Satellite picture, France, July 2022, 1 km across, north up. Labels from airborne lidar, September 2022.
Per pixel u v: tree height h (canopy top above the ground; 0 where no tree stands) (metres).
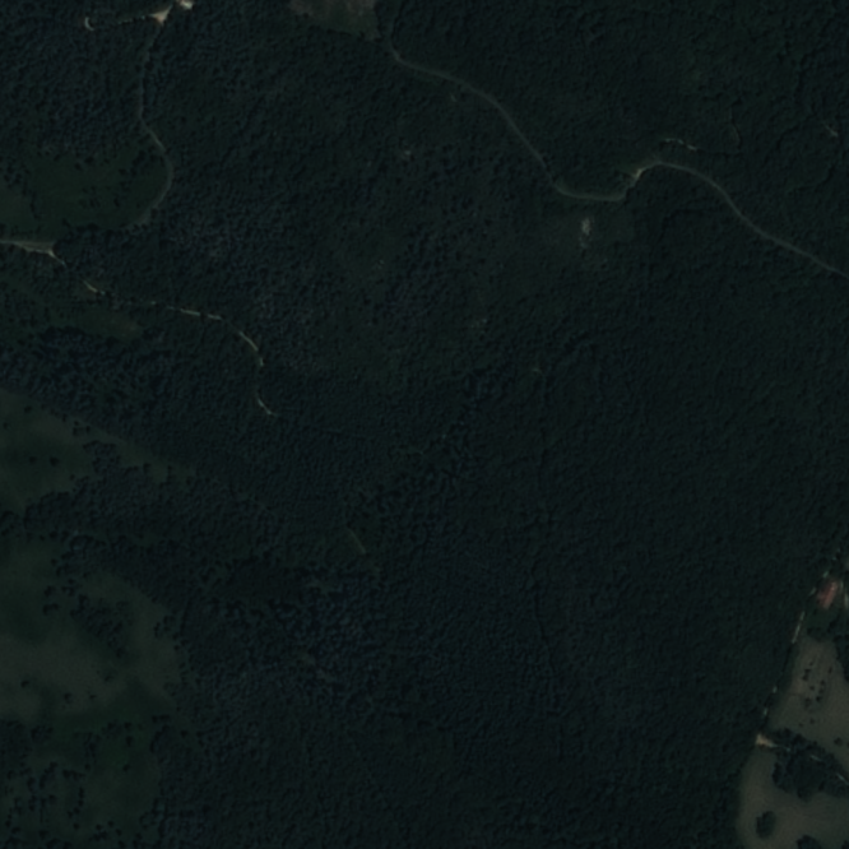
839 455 16
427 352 9
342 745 13
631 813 13
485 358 19
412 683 12
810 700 6
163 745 15
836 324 11
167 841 12
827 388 12
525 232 7
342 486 19
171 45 14
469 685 24
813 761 16
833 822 0
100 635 12
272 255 15
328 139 8
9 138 6
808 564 17
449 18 18
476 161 10
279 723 17
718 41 13
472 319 10
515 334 6
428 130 8
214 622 18
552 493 15
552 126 6
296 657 10
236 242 20
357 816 20
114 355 17
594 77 11
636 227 8
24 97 10
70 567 13
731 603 16
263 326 12
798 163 13
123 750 0
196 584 12
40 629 0
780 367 13
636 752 14
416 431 16
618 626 12
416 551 13
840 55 16
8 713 0
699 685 14
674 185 10
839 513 15
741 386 14
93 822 0
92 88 19
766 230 10
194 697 6
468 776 24
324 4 0
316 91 9
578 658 8
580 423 17
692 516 15
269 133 17
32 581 0
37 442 0
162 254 15
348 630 33
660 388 20
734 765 17
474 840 16
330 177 9
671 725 15
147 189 0
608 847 10
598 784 14
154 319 17
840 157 13
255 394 9
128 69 14
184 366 20
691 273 21
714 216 11
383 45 12
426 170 6
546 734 17
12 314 15
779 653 12
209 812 20
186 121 20
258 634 7
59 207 0
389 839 16
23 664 0
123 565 10
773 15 18
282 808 8
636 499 12
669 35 16
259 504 11
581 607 10
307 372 11
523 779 24
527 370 20
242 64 23
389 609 28
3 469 0
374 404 14
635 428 21
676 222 18
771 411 19
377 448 19
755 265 17
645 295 15
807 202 12
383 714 16
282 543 14
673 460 16
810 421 14
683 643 14
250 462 10
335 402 19
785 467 18
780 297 21
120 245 17
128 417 13
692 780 10
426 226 10
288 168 13
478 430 22
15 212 0
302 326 14
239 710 19
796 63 14
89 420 14
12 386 17
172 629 8
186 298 15
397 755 9
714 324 17
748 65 14
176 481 11
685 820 12
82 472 0
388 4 12
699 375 14
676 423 16
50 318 17
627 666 12
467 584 19
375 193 16
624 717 7
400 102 12
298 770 16
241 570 16
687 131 8
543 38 15
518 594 21
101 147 20
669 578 16
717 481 10
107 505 15
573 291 11
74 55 18
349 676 26
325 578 31
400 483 15
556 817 22
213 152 6
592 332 18
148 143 10
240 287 15
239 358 11
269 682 18
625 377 15
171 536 16
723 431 13
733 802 21
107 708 0
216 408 16
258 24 14
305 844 12
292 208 14
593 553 15
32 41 18
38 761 0
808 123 13
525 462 14
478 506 21
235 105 6
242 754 14
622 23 19
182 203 9
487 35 16
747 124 14
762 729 16
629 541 16
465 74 12
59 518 16
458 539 19
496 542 19
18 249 11
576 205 11
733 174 9
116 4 19
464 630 17
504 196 8
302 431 18
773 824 8
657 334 17
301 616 30
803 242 10
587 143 6
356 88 11
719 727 17
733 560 15
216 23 23
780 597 15
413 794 15
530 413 22
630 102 15
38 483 0
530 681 24
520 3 14
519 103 7
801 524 14
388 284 9
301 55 11
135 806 0
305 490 19
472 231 12
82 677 0
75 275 14
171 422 15
